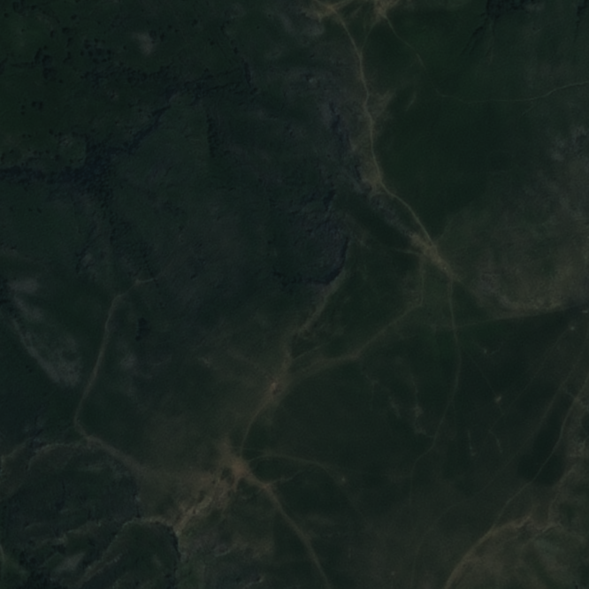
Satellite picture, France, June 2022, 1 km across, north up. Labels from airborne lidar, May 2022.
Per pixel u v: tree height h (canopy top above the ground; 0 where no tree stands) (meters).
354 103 0
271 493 0
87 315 0
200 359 0
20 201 0
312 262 0
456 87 0
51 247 0
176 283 0
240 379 0
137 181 0
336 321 0
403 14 0
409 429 0
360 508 0
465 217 0
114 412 0
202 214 0
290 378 0
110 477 0
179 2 0
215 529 0
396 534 0
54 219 0
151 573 0
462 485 0
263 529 0
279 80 0
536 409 0
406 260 0
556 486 0
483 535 0
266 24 0
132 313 0
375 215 0
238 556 0
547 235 0
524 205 0
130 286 0
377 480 0
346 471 0
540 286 0
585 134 0
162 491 0
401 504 0
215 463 0
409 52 0
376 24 0
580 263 0
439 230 0
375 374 0
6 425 0
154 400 0
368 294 0
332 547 0
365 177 0
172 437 0
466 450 0
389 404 0
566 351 0
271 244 10
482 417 0
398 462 0
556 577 0
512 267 0
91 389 0
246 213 0
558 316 0
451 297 0
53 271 0
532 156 0
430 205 0
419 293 0
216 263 0
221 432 0
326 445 0
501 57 0
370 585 0
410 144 0
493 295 0
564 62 0
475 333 0
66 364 0
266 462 0
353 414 0
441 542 0
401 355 0
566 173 0
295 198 0
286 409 0
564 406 0
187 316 0
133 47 0
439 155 0
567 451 0
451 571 0
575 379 0
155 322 0
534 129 0
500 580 0
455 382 0
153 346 0
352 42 0
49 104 0
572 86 0
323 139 0
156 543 0
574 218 0
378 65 0
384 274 0
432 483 0
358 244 0
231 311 0
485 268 0
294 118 0
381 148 0
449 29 0
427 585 0
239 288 0
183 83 7
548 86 0
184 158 0
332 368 0
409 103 0
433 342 0
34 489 0
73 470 0
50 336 0
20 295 0
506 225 0
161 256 0
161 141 0
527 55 0
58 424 0
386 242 0
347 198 0
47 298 0
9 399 0
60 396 0
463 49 0
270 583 0
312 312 0
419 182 0
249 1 0
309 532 0
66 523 0
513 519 0
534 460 0
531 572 0
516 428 0
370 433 0
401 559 0
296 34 0
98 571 0
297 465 0
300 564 0
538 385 0
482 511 0
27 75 0
